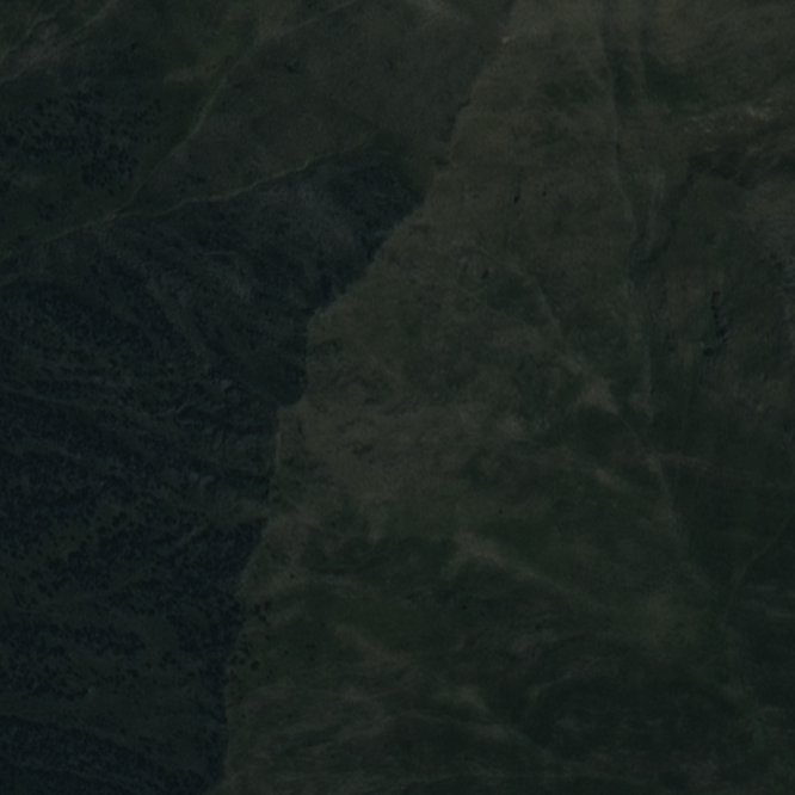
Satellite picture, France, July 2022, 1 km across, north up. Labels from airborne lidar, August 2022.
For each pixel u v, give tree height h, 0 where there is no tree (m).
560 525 0
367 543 0
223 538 13
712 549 0
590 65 0
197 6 0
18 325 10
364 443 0
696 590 0
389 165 0
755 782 0
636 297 0
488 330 0
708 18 0
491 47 0
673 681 0
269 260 0
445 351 0
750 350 0
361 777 0
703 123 0
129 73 0
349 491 0
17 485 0
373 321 0
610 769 0
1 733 18
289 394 0
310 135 0
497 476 0
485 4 0
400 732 0
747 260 0
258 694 0
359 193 0
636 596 0
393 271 0
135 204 0
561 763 0
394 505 0
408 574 0
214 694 9
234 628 7
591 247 0
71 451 9
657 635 0
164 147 0
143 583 0
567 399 0
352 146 0
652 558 0
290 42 0
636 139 0
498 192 0
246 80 0
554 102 0
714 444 0
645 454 0
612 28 0
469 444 0
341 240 0
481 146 0
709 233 0
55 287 8
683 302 0
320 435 0
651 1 0
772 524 0
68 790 16
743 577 0
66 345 10
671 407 0
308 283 0
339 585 0
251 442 0
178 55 0
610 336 0
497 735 0
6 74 0
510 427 0
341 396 0
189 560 10
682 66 0
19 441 14
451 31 0
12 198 0
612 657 0
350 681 0
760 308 0
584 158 0
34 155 11
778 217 0
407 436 0
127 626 0
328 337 0
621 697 0
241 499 0
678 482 0
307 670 0
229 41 0
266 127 0
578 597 0
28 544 16
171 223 0
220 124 0
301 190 0
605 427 0
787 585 0
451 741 0
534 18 0
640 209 0
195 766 0
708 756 0
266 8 0
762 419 0
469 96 0
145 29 0
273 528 0
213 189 0
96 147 7
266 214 0
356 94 0
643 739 0
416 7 0
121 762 9
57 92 0
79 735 12
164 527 8
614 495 0
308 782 0
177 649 0
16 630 10
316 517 0
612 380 0
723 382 0
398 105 0
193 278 9
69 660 6
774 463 0
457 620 0
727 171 0
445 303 0
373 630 0
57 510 13
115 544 9
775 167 0
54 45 0
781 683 0
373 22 0
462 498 0
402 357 0
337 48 0
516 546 0
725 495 0
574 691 0
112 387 0
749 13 0
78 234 0
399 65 0
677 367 0
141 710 0
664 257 0
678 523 0
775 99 0
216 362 0
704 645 0
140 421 0
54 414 11
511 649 0
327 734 0
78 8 0
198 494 0
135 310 0
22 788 0
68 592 0
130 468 7
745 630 0
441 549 0
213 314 0
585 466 0
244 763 0
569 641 0
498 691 0
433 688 0
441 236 0
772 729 0
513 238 0
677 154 0
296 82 0
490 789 0
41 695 16
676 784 0
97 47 0
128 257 0
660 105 0
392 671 0
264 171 0
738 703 0
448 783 0
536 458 0
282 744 0
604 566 0
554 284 0
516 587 0
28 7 0
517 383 0
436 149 0
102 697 0
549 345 0
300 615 0
